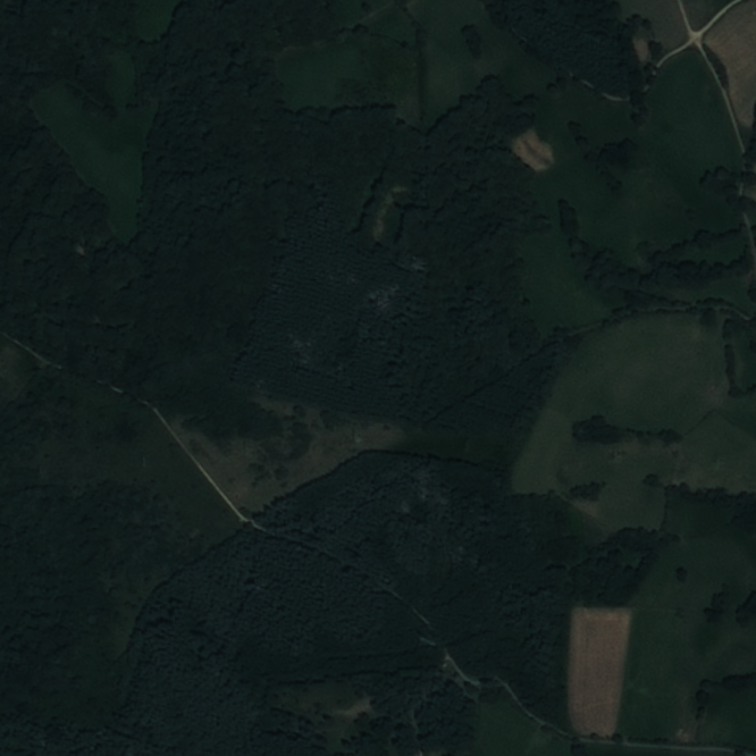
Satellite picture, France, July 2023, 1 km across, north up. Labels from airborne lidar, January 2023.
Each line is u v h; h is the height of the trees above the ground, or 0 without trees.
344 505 17
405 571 18
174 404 12
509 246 26
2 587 10
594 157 15
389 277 23
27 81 16
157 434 0
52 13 26
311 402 22
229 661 26
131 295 20
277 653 20
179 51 20
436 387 9
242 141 17
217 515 0
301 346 18
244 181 15
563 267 0
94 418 0
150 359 7
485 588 14
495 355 18
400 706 14
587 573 7
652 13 0
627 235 0
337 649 17
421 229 21
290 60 0
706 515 0
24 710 15
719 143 0
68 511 8
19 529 15
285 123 21
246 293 15
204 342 8
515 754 0
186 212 17
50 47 17
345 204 21
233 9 23
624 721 0
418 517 6
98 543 7
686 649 0
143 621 16
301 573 29
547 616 29
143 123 0
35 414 0
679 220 0
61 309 18
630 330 0
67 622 17
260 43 25
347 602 26
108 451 0
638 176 0
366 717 14
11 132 9
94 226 15
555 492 9
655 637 0
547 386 24
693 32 0
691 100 0
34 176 15
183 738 12
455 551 13
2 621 10
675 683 0
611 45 23
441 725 29
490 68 0
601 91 14
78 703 8
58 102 0
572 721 0
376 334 23
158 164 8
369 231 21
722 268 15
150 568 0
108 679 7
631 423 0
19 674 19
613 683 0
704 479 0
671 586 0
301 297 25
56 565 11
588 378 0
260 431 6
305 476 0
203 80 16
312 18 23
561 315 0
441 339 14
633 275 15
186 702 18
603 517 0
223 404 8
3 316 9
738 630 0
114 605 6
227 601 18
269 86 17
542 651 20
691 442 0
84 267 20
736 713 0
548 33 27
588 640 0
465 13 0
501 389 17
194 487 5
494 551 24
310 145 23
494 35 0
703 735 0
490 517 26
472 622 17
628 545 12
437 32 0
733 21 0
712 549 0
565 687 7
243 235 19
